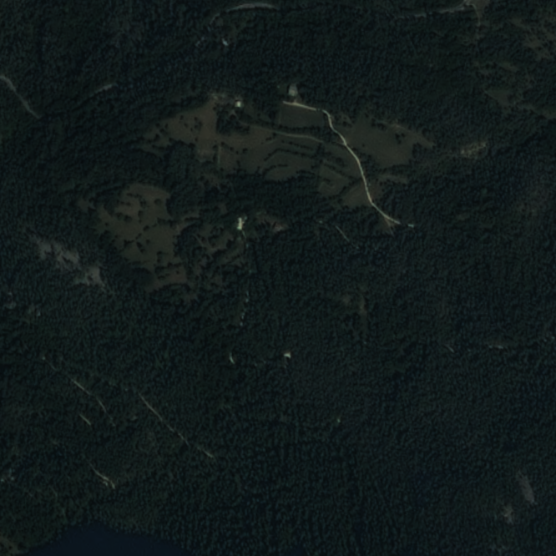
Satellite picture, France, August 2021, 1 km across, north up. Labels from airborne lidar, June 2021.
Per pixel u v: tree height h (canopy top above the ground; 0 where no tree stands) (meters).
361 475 21
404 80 21
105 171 18
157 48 17
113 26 20
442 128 10
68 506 23
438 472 15
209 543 8
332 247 22
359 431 10
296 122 0
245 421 8
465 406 12
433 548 23
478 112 14
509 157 13
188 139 0
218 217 7
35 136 25
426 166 15
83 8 19
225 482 13
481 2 0
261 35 10
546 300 15
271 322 15
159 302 8
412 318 23
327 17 9
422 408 17
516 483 10
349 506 12
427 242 15
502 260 13
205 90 7
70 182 17
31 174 23
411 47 22
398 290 18
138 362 6
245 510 8
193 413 20
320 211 15
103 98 8
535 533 20
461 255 25
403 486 18
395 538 19
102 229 0
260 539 17
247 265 7
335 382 12
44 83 25
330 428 14
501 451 25
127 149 10
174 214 25
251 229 6
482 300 15
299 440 7
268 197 11
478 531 15
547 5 11
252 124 9
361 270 12
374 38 18
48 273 15
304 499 19
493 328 23
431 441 17
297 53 11
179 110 11
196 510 12
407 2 28
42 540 17
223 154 0
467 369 21
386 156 0
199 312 20
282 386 19
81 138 26
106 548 17
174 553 21
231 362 10
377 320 20
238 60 20
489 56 7
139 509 16
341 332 15
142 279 21
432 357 20
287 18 12
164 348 7
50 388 18
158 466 16
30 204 16
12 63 20
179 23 22
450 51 9
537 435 18
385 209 8
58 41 22
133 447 17
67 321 20
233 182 11
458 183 6
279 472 14
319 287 18
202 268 0
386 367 22
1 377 7
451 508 12
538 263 27
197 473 21
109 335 7
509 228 13
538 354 17
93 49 17
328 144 9
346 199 0
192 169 18
